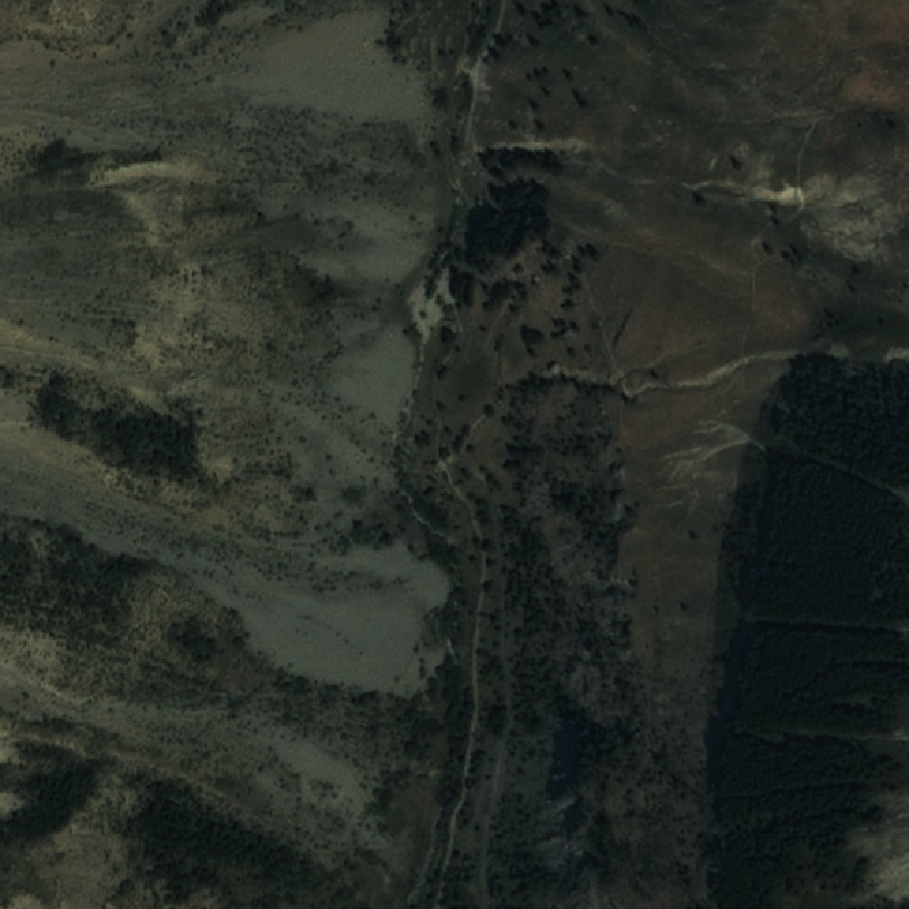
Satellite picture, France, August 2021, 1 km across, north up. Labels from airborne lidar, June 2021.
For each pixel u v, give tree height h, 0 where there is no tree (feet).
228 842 49
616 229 0
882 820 28
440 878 18
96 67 0
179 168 0
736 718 39
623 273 0
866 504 45
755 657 64
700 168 0
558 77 0
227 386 0
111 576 36
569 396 0
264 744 0
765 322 0
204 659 41
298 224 0
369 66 0
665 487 0
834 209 0
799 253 42
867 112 0
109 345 0
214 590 0
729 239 0
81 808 28
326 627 0
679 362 0
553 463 0
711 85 0
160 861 38
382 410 0
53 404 22
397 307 0
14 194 0
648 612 0
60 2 0
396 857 0
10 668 0
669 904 0
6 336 0
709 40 0
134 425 41
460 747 24
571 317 0
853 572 53
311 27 0
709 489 0
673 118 0
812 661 64
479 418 0
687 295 0
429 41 0
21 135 0
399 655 0
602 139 0
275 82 0
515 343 0
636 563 0
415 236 0
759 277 0
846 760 49
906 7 0
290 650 0
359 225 0
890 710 25
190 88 0
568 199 0
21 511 0
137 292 0
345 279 0
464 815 21
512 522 23
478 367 0
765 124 0
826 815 24
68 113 0
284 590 0
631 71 0
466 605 20
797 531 47
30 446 0
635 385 0
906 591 28
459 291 52
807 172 0
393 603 0
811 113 0
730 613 0
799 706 52
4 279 0
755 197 0
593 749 57
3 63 0
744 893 55
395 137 0
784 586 56
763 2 0
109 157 0
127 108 0
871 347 0
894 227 0
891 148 0
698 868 0
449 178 0
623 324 0
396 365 0
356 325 0
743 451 0
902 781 0
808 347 0
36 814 31
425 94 0
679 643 0
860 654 54
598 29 0
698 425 0
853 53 0
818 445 41
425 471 0
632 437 0
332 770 0
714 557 0
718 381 0
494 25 0
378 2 0
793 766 52
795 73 0
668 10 0
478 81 0
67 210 0
